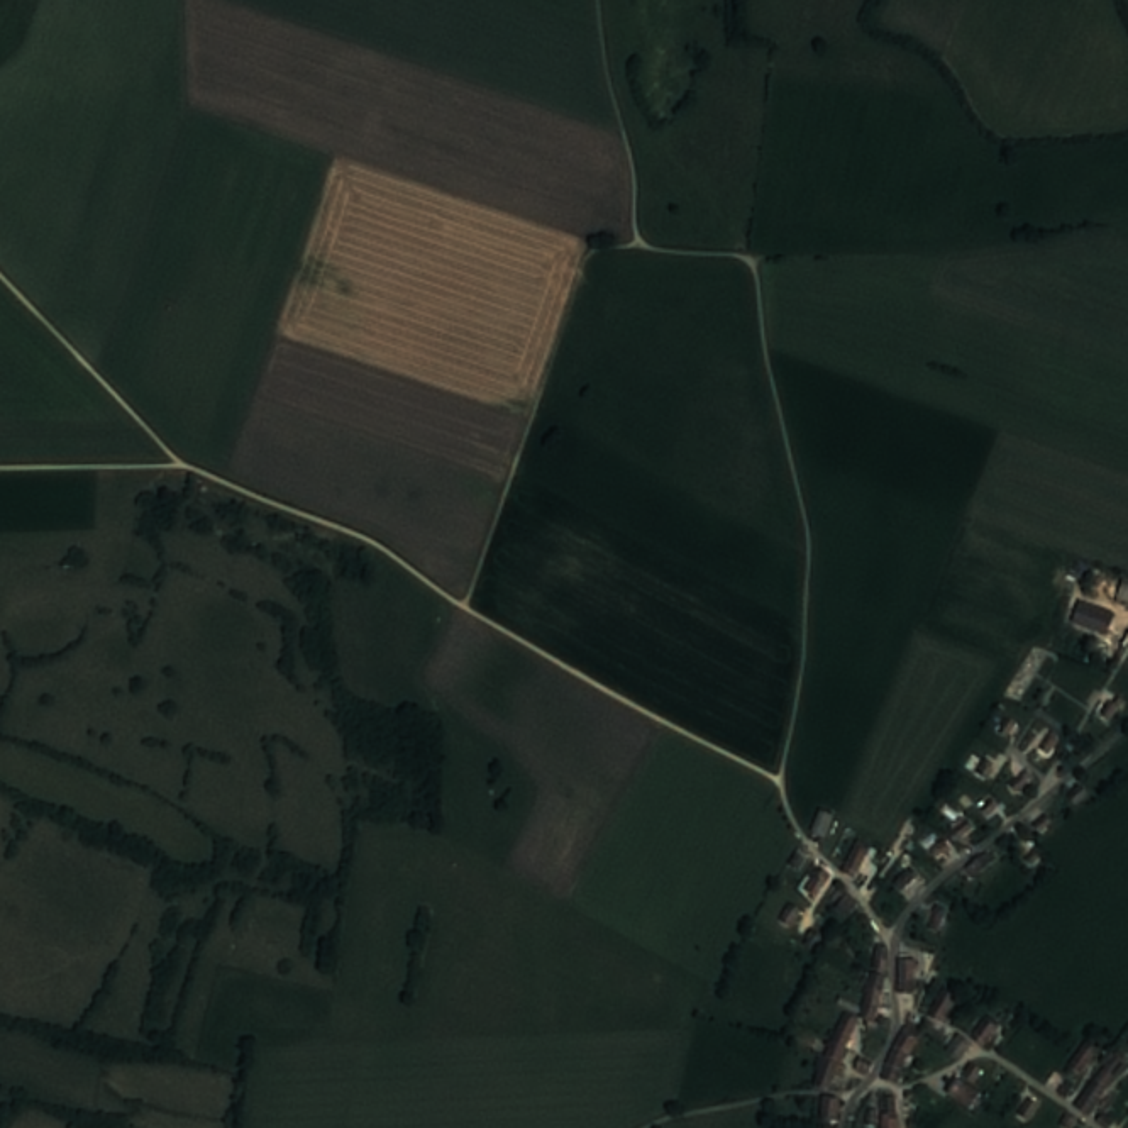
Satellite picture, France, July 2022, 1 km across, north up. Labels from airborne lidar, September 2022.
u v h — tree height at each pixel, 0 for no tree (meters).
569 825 0
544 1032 0
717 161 0
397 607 0
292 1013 0
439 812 10
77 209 0
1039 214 0
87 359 0
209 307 0
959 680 0
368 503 0
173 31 0
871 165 0
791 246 0
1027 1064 0
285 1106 0
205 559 0
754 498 0
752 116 0
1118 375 0
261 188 0
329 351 0
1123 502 0
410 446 0
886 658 0
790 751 0
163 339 0
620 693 0
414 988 8
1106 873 0
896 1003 0
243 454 0
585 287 0
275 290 0
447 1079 0
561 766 0
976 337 0
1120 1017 0
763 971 0
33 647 0
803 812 0
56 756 6
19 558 0
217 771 0
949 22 0
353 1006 0
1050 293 0
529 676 0
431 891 0
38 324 0
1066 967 0
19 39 0
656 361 0
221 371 0
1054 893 0
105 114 0
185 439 0
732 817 0
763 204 0
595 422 0
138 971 0
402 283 0
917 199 0
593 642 0
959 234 0
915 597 0
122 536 0
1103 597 0
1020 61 0
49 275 0
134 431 0
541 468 0
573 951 0
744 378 0
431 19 0
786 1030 8
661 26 0
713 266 0
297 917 0
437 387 0
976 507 0
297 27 0
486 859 0
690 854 0
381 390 0
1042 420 0
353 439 0
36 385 0
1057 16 0
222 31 0
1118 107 0
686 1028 0
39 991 0
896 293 0
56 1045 13
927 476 0
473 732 0
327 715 5
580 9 0
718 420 0
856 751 0
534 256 0
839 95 0
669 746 0
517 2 0
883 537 0
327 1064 0
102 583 0
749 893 0
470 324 0
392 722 8
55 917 0
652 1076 0
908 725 0
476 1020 0
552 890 0
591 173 0
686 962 0
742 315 0
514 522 0
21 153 0
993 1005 17
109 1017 0
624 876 0
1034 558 0
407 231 0
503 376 0
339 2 0
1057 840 0
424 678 0
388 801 8
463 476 0
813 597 0
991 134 7
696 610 0
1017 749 0
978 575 0
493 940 0
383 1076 0
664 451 0
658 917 0
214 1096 0
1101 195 0
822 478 0
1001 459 0
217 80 0
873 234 0
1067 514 0
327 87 0
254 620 0
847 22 0
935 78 0
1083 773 17
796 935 0
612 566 0
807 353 0
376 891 0
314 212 0
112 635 0
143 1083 0
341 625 0
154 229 0
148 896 0
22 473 0
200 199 0
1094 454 0
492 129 0
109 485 0
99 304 0
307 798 0
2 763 0
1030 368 0
